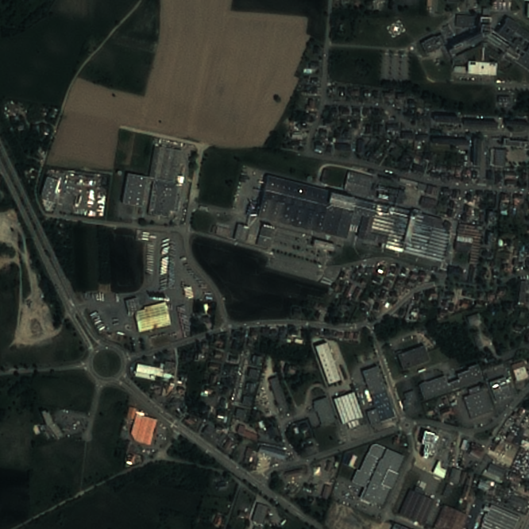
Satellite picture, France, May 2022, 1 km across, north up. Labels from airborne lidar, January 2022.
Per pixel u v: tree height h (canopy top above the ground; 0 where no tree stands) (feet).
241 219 0
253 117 0
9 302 0
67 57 0
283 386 23
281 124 0
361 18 0
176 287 0
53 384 0
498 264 0
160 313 0
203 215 0
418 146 0
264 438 0
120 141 0
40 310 0
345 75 0
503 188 0
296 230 0
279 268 0
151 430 0
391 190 0
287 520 0
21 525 0
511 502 0
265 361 0
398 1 0
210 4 0
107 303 0
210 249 0
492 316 0
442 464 0
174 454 30
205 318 0
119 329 0
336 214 0
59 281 0
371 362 0
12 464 0
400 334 0
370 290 0
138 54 0
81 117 0
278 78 0
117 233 0
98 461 0
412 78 0
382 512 0
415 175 0
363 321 0
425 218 0
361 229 0
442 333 22
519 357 18
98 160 0
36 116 0
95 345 0
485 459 0
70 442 0
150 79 0
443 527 0
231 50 0
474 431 0
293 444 22
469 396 0
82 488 0
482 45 0
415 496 0
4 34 19
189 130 0
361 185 0
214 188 0
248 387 0
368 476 0
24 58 0
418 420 0
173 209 0
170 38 0
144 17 0
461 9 0
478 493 38
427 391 0
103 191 0
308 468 0
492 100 0
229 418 0
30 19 22
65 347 0
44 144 32
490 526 0
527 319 0
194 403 41
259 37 0
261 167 0
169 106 0
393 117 0
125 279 0
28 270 0
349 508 0
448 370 0
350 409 0
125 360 0
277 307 0
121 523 0
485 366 24
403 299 0
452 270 0
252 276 0
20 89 0
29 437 0
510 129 42
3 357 0
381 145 0
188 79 0
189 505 0
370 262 0
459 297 0
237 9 0
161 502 0
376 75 0
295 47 0
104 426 0
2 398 0
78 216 0
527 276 0
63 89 0
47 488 0
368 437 0
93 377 0
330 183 0
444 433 0
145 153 0
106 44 0
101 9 0
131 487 0
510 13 0
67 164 0
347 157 0
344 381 0
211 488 0
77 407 0
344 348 0
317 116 0
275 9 0
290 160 0
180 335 0
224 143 0
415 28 0
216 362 0
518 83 0
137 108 0
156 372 0
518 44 0
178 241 0
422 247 0
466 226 0
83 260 0
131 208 0
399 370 0
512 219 0
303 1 0
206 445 0
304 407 0
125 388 0
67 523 0
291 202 0
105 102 0
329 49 0
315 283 0
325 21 0
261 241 0
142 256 0
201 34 0
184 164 0
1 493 0
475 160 0
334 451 0
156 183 0
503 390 0
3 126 0
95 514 0
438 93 0
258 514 0
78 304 0
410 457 0
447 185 0
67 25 0
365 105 0
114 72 0
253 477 0
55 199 0
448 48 0
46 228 36
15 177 0
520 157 0
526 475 0
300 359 20
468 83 0
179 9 0
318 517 41
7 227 0
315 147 0
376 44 0
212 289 0
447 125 0
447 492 0
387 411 0
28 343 0
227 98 0
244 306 0
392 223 0
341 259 0
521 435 0
